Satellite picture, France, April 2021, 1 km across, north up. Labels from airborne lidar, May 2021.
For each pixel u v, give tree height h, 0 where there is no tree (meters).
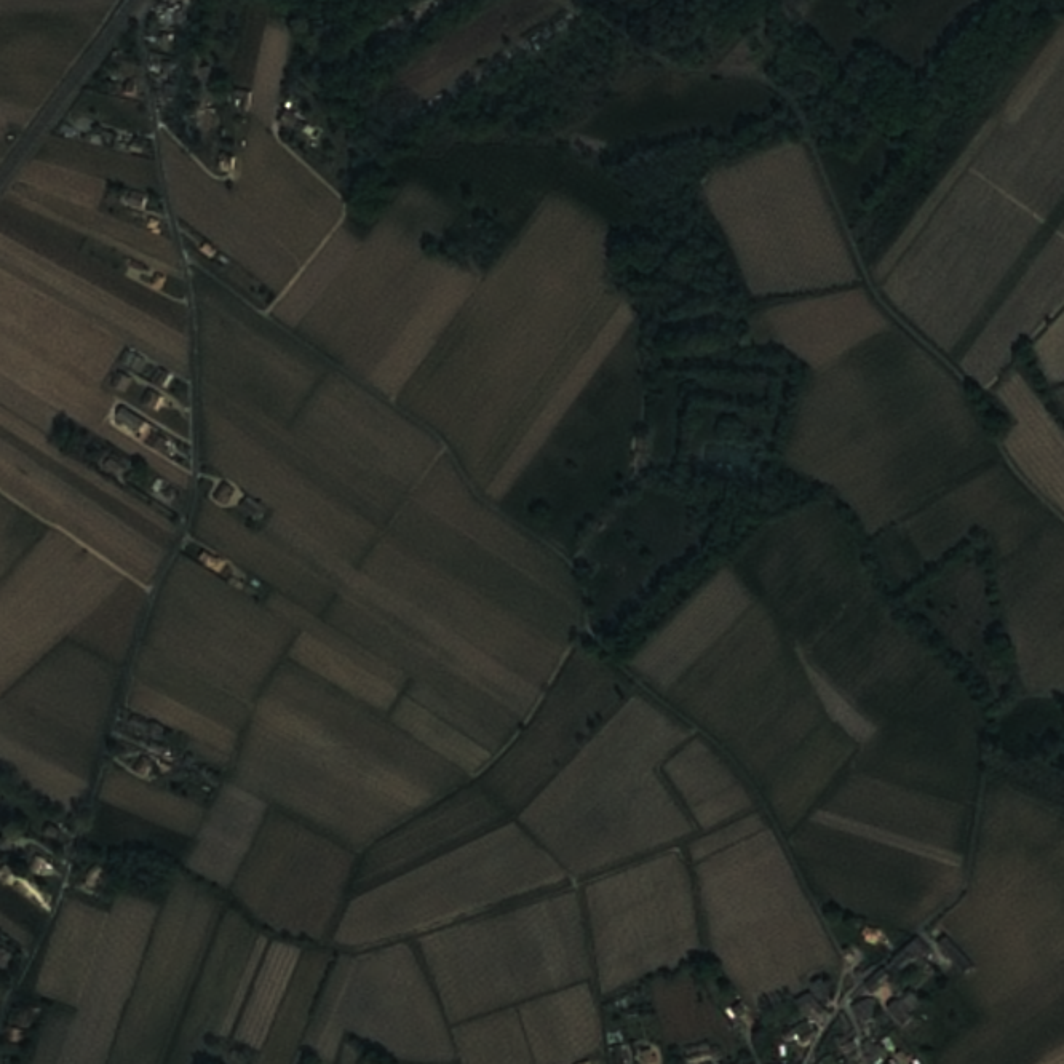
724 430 11
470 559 0
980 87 23
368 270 0
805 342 0
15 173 0
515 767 0
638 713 0
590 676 0
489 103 12
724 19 14
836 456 0
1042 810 0
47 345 0
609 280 12
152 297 0
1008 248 0
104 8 0
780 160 0
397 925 0
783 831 0
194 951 0
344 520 0
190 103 14
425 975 0
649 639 17
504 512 0
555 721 0
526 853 0
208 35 19
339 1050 0
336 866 0
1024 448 0
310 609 0
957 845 0
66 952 0
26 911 0
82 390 0
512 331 0
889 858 0
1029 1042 0
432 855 0
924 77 14
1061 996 0
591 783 0
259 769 0
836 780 0
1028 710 0
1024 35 22
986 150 0
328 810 0
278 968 0
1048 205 0
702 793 0
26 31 0
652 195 20
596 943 0
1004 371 6
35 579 0
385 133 21
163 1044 0
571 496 0
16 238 0
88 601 0
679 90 0
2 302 0
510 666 0
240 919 0
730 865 0
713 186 0
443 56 0
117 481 8
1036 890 0
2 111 0
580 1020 0
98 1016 0
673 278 8
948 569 7
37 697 0
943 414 0
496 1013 0
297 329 0
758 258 0
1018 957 0
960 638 0
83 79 0
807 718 0
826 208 0
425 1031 0
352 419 0
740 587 0
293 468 0
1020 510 0
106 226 0
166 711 0
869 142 18
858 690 0
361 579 0
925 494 0
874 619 0
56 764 0
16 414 0
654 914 0
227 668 0
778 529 0
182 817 0
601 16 13
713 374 17
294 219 0
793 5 17
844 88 18
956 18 0
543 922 0
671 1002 0
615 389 0
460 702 0
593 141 0
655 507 0
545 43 12
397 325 0
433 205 0
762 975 0
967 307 0
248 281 0
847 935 0
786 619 0
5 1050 13
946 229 0
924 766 0
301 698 0
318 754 0
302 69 7
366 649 0
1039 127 0
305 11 23
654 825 0
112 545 0
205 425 0
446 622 0
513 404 0
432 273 0
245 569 0
